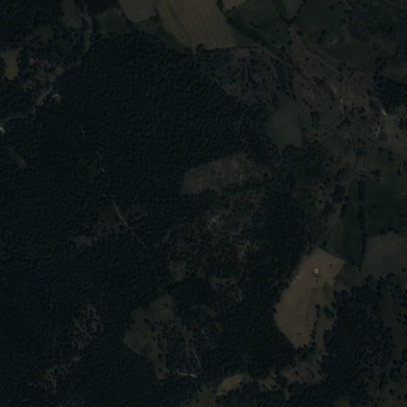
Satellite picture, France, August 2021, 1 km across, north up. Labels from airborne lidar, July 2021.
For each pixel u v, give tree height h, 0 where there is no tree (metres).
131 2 0
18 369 11
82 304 13
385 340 14
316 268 0
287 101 0
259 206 8
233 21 10
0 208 12
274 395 21
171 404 24
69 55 0
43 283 23
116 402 17
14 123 13
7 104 16
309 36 0
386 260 0
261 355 12
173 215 16
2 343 9
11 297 11
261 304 13
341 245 0
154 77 13
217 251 7
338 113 0
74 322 13
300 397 13
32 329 12
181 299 16
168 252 6
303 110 0
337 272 0
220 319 7
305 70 0
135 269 13
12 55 0
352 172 0
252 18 0
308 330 0
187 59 9
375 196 0
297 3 0
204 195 14
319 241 7
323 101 0
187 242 13
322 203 8
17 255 18
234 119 12
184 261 10
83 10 15
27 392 13
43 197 16
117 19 0
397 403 0
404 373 0
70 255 18
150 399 12
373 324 16
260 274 15
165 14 0
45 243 20
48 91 0
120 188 11
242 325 18
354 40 0
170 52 13
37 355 14
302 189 6
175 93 16
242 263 10
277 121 0
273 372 0
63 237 13
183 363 17
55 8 15
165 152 16
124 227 7
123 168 12
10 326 11
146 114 12
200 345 11
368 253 0
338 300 19
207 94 16
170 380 11
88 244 0
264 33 0
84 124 9
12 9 11
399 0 0
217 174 0
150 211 12
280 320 0
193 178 0
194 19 0
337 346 20
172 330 10
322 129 0
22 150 10
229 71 10
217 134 16
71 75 19
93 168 0
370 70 0
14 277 23
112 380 15
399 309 0
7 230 19
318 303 0
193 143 11
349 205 0
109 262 9
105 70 19
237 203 9
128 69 16
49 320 26
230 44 0
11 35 9
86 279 18
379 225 0
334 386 14
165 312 0
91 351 12
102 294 15
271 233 12
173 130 13
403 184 0
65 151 18
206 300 17
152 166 15
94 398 15
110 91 12
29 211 14
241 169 0
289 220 12
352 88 0
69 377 10
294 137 0
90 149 6
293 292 0
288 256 16
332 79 0
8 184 15
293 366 14
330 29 0
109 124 16
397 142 0
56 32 12
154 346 0
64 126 13
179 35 0
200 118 17
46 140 18
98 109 8
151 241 12
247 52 0
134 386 16
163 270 9
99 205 13
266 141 9
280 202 15
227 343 22
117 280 8
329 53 0
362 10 9
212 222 0
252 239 9
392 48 0
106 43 13
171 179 11
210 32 0
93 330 7
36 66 9
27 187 10
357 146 0
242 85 8
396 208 0
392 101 12
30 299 23
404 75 0
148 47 19
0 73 15
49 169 14
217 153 18
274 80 7
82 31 11
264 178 9
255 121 15
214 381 18
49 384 9
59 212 16
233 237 11
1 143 14
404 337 0
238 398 19
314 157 6
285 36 0
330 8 9
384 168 0
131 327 14
